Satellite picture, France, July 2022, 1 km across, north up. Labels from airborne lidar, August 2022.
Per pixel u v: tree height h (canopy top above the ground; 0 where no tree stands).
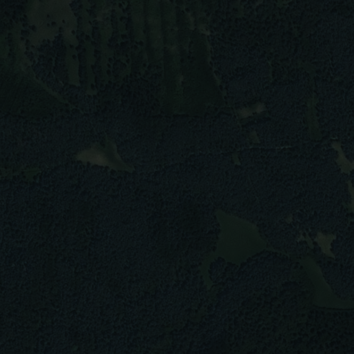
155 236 24
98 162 0
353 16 19
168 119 19
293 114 23
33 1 0
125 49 19
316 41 18
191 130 17
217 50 22
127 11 12
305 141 14
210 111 6
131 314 28
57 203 26
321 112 17
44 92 6
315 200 20
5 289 29
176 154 18
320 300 0
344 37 20
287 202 23
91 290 16
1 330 25
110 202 26
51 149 21
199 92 5
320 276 0
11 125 18
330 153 18
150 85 22
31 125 19
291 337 8
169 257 24
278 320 21
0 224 21
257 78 24
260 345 19
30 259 23
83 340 18
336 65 12
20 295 20
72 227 25
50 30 0
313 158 18
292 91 22
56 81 18
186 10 12
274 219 21
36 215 22
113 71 11
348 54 21
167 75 5
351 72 21
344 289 19
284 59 17
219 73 20
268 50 10
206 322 6
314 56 12
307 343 19
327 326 19
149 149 20
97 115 21
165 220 23
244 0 13
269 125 16
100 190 22
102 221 30
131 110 17
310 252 8
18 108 6
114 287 18
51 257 20
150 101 18
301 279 8
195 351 25
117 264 26
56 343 20
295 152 15
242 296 21
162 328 19
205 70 8
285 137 21
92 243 20
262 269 19
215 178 18
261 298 21
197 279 24
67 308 24
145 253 25
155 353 7
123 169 0
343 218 22
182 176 24
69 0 0
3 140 13
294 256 9
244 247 0
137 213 26
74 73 0
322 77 9
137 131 16
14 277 25
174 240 23
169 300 20
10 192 24
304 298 10
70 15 0
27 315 20
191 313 24
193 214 23
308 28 19
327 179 21
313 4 14
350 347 7
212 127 20
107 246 30
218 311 26
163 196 12
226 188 21
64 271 25
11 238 22
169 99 6
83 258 28
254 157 20
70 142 17
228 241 0
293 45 7
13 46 6
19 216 25
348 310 6
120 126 16
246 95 21
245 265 16
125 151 18
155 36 0
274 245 18
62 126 20
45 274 21
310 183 22
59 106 7
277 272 21
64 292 22
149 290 9
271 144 14
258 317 9
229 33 8
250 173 23
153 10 0
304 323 9
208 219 23
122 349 24
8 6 19
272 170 19
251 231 0
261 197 15
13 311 16
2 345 25
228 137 15
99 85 17
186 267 7
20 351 22
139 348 7
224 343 28
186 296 8
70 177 23
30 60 13
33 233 25
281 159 18
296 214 23
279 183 20
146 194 22
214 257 0
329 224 21
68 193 24
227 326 15
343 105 18
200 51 6
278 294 7
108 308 28
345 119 18
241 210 22
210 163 26
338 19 20
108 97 24
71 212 25
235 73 19
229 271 18
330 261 16
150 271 21
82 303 18
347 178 15
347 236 15
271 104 19
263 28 15
